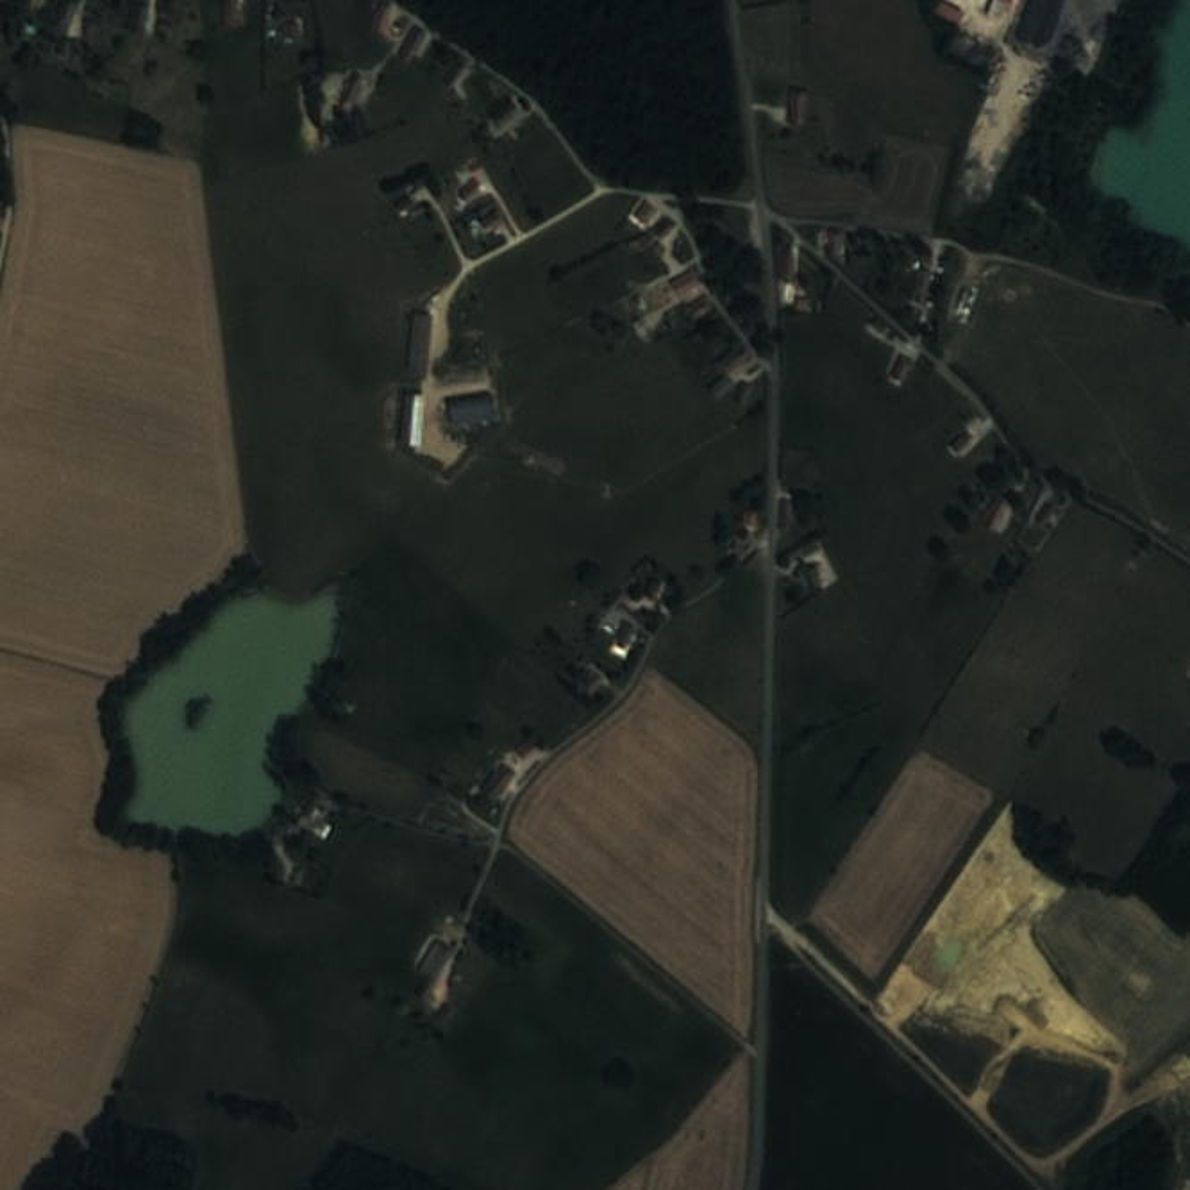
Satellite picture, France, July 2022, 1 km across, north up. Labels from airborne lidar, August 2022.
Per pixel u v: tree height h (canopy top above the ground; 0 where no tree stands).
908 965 0
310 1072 0
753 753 0
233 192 0
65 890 0
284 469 0
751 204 0
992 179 0
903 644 0
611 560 0
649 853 0
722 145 21
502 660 0
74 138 0
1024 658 0
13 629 0
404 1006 10
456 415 0
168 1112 0
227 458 0
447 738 0
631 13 17
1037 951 0
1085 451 0
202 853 20
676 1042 0
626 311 0
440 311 0
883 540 0
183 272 0
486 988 0
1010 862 0
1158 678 0
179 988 0
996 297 0
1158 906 7
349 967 0
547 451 0
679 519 0
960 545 0
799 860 0
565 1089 0
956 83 0
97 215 0
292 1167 0
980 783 0
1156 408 0
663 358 0
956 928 0
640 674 0
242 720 0
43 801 0
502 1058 0
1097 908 0
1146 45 15
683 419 0
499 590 0
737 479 0
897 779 0
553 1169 0
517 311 0
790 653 0
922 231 0
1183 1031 0
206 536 0
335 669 12
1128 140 0
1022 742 0
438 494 0
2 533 0
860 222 0
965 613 0
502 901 0
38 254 0
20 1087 0
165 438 0
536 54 15
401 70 0
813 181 0
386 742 0
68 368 0
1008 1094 0
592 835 0
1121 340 0
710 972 0
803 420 0
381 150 0
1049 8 0
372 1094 0
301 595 0
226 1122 0
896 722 0
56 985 0
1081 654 0
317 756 0
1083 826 0
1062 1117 0
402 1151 0
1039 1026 0
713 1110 0
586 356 0
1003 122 0
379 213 0
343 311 0
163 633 14
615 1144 0
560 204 0
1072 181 16
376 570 0
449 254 0
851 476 0
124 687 11
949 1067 0
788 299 0
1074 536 0
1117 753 11
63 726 0
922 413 0
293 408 0
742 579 0
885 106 0
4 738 0
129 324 0
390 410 0
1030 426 0
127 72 0
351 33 0
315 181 0
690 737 0
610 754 0
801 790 0
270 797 0
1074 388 0
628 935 0
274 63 0
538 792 0
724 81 13
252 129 0
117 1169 18
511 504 0
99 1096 0
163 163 0
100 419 0
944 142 0
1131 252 9
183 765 0
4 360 0
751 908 0
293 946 0
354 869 0
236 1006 0
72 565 0
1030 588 0
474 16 18
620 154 16
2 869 0
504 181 0
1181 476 0
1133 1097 0
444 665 0
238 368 0
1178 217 0
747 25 0
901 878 0
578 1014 0
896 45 0
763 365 0
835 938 0
